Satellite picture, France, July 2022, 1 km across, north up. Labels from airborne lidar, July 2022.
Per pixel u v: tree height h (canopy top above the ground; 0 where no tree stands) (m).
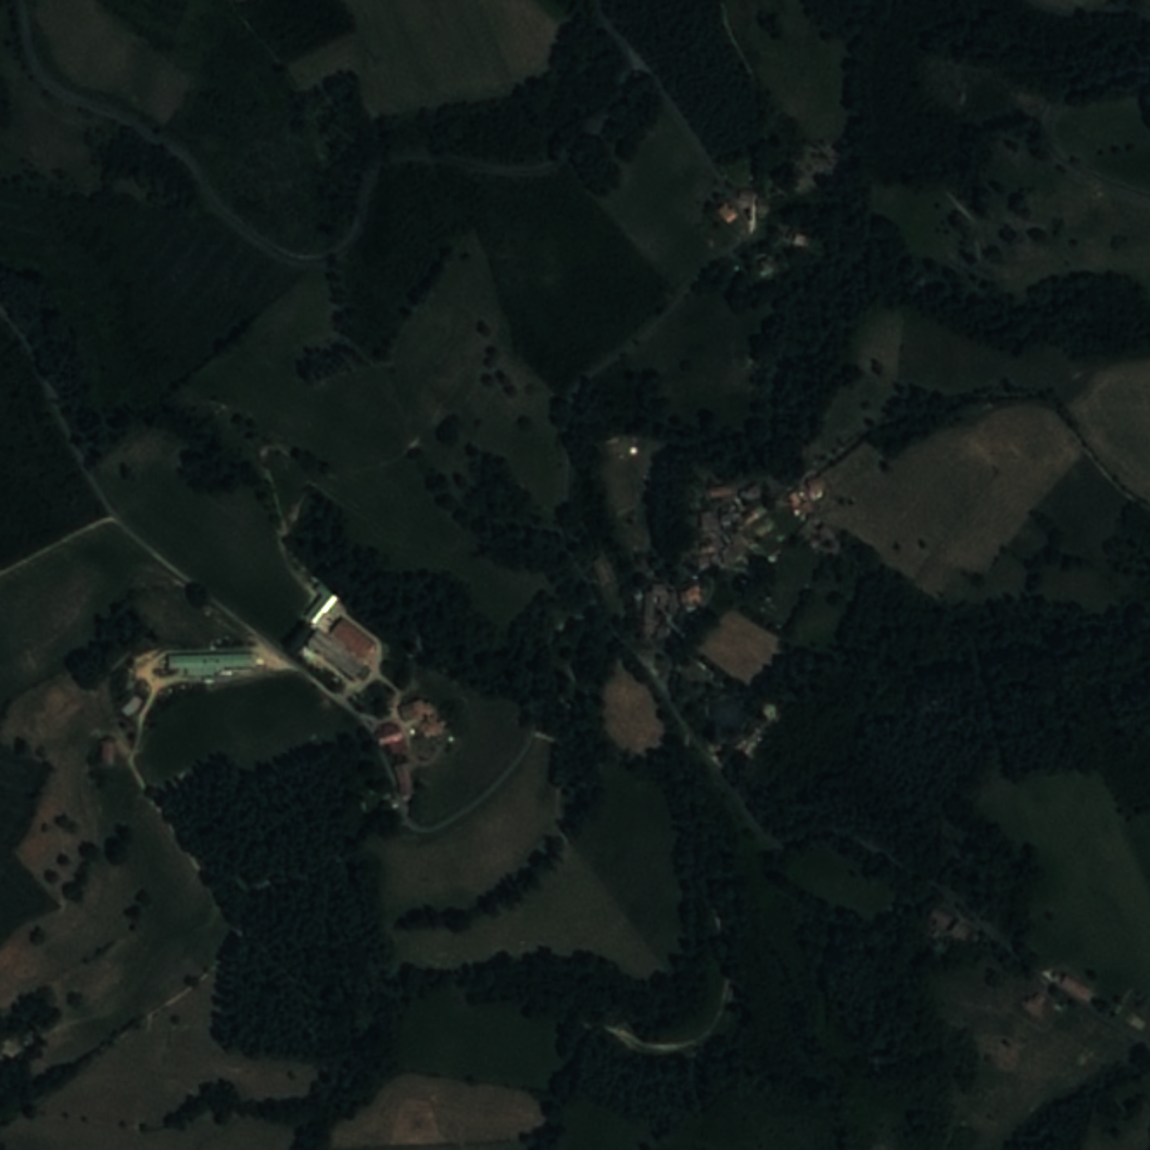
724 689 7
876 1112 0
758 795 18
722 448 23
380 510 0
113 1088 0
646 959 0
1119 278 13
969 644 11
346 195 8
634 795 0
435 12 0
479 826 0
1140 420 0
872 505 0
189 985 9
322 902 24
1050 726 23
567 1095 20
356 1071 26
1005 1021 0
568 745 20
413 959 0
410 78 0
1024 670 30
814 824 16
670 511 23
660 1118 26
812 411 17
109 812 0
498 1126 0
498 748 0
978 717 31
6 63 0
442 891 0
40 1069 0
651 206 0
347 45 0
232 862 30
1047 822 0
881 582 18
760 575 23
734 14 0
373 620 19
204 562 0
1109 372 0
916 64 8
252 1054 22
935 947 12
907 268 25
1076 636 31
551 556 15
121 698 8
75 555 0
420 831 0
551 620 6
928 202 0
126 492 0
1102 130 0
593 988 20
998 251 11
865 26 20
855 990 23
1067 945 0
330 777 33
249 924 26
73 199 8
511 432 0
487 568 0
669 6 15
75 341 19
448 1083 0
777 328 21
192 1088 0
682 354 0
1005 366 0
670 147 0
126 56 0
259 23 9
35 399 7
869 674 25
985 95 0
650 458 0
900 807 13
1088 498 0
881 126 9
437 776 0
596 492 17
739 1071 25
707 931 13
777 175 19
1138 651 22
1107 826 0
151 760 0
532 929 0
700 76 17
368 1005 24
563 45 16
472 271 0
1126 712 24
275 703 0
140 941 0
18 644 0
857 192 23
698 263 0
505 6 0
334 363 26
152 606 0
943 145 8
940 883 13
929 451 0
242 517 0
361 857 7
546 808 0
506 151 9
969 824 18
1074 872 0
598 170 25
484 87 0
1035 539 0
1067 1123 23
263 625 0
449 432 17
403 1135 0
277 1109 22
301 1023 21
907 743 22
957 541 0
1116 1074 7
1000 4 10
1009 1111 0
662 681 0
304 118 22
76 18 0
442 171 7
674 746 24
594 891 0
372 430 0
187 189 12
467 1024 0
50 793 0
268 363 0
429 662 24
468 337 0
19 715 0
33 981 0
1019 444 0
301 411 0
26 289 29
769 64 0
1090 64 22
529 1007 18
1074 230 0
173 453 0
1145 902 0
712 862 27
